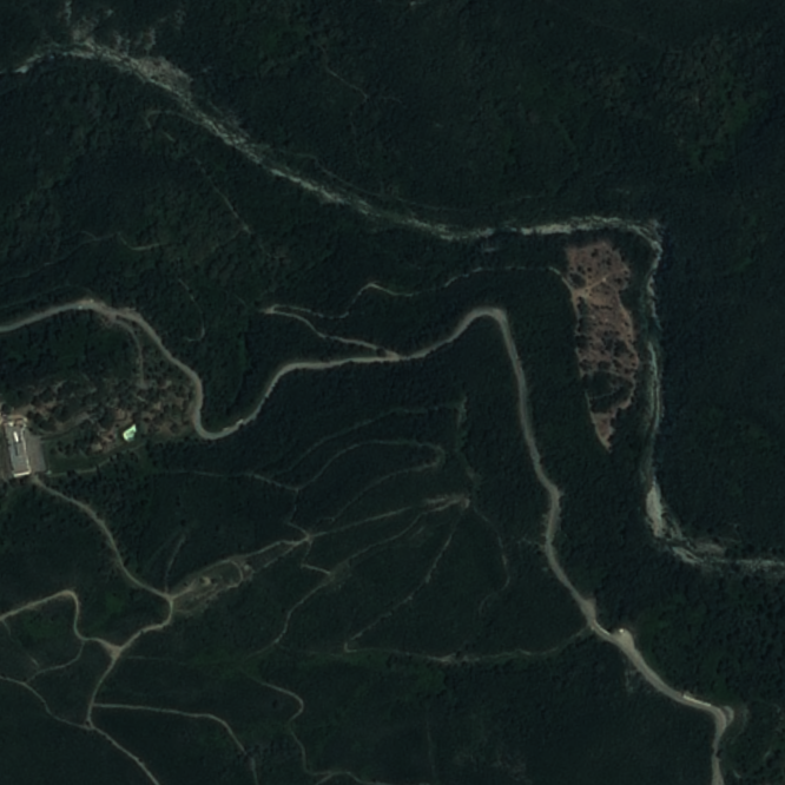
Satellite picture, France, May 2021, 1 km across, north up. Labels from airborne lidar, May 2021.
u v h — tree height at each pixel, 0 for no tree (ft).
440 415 39
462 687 26
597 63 41
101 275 32
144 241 44
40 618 28
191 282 25
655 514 0
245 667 0
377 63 34
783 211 19
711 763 25
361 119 32
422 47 24
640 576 36
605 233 56
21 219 37
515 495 43
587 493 41
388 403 37
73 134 82
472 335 20
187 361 44
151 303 41
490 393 28
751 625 49
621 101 40
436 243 26
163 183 28
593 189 39
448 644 25
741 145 22
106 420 44
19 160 38
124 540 22
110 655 0
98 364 35
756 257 34
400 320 21
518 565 31
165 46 40
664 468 49
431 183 27
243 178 23
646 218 28
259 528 19
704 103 34
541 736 25
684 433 26
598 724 20
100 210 22
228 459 23
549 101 23
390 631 17
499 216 39
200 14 34
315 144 23
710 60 53
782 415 20
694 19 23
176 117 42
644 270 40
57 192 51
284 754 38
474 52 30
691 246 22
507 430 42
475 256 49
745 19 25
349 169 21
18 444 0
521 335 34
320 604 19
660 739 36
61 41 38
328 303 34
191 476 22
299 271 30
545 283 34
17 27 52
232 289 37
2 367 66
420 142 34
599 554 59
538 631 20
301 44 20
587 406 20
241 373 27
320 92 29
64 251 42
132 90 39
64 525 32
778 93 27
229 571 0
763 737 30
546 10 23
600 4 21
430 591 20
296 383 24
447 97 33
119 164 46
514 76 26
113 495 28
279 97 27
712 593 74
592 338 30
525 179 25
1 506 36
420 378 45
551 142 26
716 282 31
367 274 26
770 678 31
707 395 18
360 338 23
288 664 22
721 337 25
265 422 30
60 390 30
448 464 29
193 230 52
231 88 60
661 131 37
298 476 33
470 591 19
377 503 17
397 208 34
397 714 21
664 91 41
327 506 17
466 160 31
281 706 35
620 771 22
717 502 27
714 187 18
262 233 32
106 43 31
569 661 29
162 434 0
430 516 19
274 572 19
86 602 27
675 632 24
